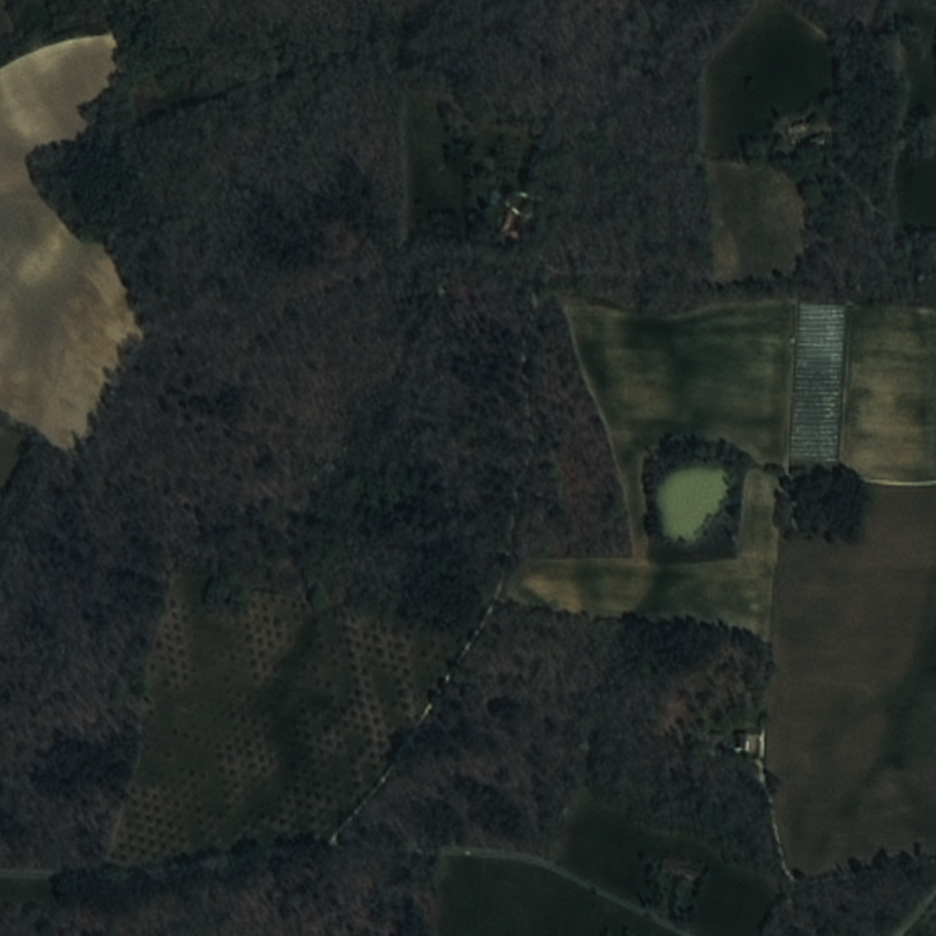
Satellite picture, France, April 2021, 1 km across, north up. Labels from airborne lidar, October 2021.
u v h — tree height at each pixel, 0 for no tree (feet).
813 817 0
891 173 77
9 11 34
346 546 60
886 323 0
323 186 60
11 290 0
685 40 76
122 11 40
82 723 54
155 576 47
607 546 40
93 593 50
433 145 0
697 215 78
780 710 0
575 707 78
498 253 63
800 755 0
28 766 29
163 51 72
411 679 26
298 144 82
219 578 23
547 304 49
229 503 43
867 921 48
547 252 65
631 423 0
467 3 106
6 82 0
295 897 52
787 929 54
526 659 45
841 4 40
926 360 0
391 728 26
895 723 0
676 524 0
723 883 0
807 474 28
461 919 0
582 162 62
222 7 66
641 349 0
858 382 0
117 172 87
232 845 0
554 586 0
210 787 0
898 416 0
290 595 39
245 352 39
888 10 63
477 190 0
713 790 68
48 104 0
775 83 0
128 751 54
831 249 43
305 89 94
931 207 0
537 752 52
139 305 53
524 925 0
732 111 0
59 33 37
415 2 102
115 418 40
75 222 53
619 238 78
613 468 20
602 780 78
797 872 0
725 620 0
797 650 0
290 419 49
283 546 92
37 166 65
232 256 67
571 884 0
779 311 0
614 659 60
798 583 0
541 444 38
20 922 38
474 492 36
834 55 54
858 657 0
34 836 56
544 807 81
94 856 55
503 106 73
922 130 79
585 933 0
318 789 24
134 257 74
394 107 89
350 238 40
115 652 39
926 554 0
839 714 0
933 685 0
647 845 0
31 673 28
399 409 57
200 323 54
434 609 77
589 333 0
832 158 50
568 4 68
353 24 98
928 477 0
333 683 19
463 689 23
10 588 53
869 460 0
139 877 53
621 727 58
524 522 62
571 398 19
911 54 27
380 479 46
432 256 86
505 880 0
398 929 29
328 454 44
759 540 0
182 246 60
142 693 58
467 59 64
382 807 59
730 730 70
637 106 57
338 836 25
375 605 77
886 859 0
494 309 52
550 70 70
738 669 69
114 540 30
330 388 38
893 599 0
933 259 71
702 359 0
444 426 50
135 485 47
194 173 76
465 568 82
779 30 0
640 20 77
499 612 50
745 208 0
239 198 92
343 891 45
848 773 0
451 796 56
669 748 55
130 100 59
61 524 35
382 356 52
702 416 0
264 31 71
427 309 48
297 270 88
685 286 62
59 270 0
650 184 67
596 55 43
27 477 51
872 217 86
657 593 0
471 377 46
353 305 52
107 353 0
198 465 44
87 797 49
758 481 0
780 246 0
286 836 28
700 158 42
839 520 76
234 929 59
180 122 68
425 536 48
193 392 59
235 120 86
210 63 90
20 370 0
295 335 63
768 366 0
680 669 84
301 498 54
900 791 0
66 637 56
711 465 47
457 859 0
